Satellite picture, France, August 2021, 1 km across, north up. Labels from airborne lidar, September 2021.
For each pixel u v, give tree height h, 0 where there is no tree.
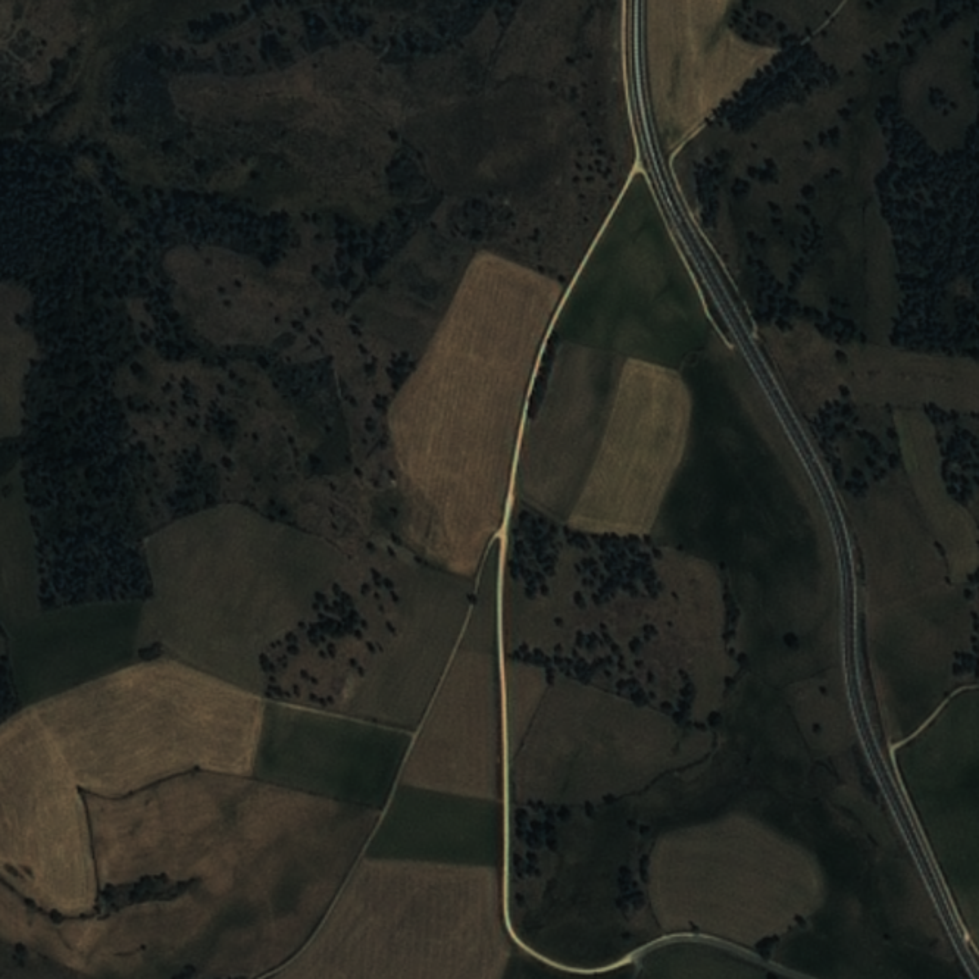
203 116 0
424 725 0
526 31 0
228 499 11
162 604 0
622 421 0
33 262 16
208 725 0
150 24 0
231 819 0
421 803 0
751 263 13
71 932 0
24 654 0
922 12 8
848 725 0
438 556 0
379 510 0
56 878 0
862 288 0
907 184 15
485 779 0
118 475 17
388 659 0
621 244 0
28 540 0
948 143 0
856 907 0
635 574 14
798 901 0
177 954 0
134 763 0
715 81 0
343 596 8
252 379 0
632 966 0
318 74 0
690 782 0
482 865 0
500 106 0
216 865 0
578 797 0
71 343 14
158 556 0
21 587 0
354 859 0
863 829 0
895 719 0
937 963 0
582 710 0
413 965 0
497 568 0
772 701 0
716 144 0
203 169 17
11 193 18
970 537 0
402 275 0
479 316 0
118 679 0
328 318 0
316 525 0
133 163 0
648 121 0
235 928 0
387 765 0
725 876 0
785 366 0
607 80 0
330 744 0
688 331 0
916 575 0
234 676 0
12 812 0
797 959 0
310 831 0
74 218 16
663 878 0
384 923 0
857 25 0
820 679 0
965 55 0
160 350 9
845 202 0
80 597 6
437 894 0
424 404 0
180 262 0
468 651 0
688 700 13
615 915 0
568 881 0
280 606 0
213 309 0
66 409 15
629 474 0
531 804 10
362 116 0
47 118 14
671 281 0
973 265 17
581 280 0
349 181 0
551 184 0
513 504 0
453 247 0
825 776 0
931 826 0
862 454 0
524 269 0
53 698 0
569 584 0
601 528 0
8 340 0
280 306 0
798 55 14
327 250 0
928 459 0
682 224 0
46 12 0
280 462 0
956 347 9
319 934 0
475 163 0
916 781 0
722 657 0
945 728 0
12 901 0
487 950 0
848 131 0
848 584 0
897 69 0
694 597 0
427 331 0
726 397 0
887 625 0
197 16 0
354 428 0
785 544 0
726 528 0
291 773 0
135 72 0
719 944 0
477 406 0
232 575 0
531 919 0
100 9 0
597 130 0
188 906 0
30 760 0
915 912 0
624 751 0
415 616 0
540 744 0
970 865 0
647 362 0
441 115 0
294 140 0
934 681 0
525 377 0
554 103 0
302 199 0
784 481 0
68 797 0
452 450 0
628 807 0
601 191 0
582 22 0
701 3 0
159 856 0
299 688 7
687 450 0
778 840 0
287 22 0
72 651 0
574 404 0
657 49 0
